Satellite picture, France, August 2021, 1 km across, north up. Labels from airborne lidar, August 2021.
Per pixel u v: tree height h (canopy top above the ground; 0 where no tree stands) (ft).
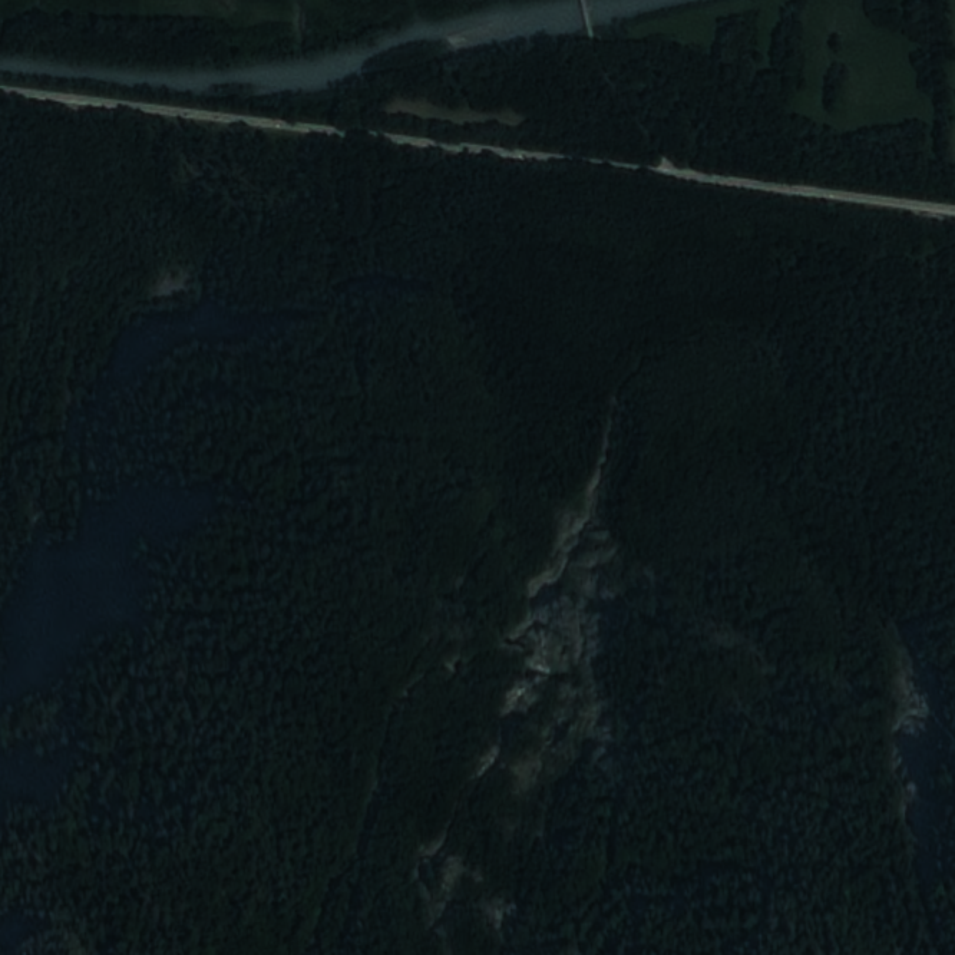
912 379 90
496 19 0
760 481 104
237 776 81
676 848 61
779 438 79
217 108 50
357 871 50
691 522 50
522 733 21
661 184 70
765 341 48
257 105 58
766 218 53
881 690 51
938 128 36
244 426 70
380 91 50
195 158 71
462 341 50
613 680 49
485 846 19
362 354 68
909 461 98
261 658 114
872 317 81
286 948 52
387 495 78
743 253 60
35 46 79
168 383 56
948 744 38
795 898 97
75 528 50
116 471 48
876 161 77
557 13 0
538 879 53
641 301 56
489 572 54
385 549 101
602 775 0
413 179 83
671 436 45
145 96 53
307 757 68
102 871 55
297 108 73
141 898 49
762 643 69
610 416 45
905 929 121
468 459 64
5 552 35
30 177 59
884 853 57
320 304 70
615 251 48
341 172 80
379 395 67
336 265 82
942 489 95
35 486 61
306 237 56
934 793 65
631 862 76
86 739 49
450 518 41
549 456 67
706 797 41
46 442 39
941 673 71
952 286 53
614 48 56
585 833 65
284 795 75
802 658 96
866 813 64
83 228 41
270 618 101
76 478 62
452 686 34
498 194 84
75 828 166
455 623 23
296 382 77
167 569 92
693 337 48
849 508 98
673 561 55
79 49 75
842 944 35
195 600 79
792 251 45
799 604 51
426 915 60
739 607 102
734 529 42
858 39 0
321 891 42
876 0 42
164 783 39
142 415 51
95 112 68
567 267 53
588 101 60
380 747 33
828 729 37
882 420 60
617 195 60
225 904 36
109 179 53
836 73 42
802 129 56
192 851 49
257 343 69
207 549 87
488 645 30
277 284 77
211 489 63
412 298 61
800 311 66
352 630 68
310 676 86
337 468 72
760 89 71
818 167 62
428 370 81
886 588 55
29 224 51
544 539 45
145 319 34
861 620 45
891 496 94
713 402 48
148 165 74
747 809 21
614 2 0
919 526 102
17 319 40
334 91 20
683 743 70
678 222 48
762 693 24
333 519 94
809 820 40
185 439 37
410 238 75
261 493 73
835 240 50
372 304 42
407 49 47
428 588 46
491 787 41
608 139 84
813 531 83
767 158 67
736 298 76
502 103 55
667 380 58
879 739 59
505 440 46
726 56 83
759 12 33
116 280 59
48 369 54
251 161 58
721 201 52
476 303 87
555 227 51
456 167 71
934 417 68
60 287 38
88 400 67
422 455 65
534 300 62
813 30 0
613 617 20
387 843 68
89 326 48
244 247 58
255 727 73
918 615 51
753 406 52
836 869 85
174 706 91
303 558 70
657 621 20
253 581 73
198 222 71
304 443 89
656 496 51
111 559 28
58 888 60
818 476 64
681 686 82
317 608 76
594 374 67
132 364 48
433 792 43
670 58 38
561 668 0
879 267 60
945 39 60
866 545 87
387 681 61
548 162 36
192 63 46
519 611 29
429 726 36
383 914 39
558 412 58
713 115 69
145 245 68
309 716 92
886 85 0
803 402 62
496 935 25
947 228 52
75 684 67
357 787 58
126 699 75
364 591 61
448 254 78
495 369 71
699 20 0
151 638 32
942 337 83
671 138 91
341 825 69
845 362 68
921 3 71
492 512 33
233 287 73
